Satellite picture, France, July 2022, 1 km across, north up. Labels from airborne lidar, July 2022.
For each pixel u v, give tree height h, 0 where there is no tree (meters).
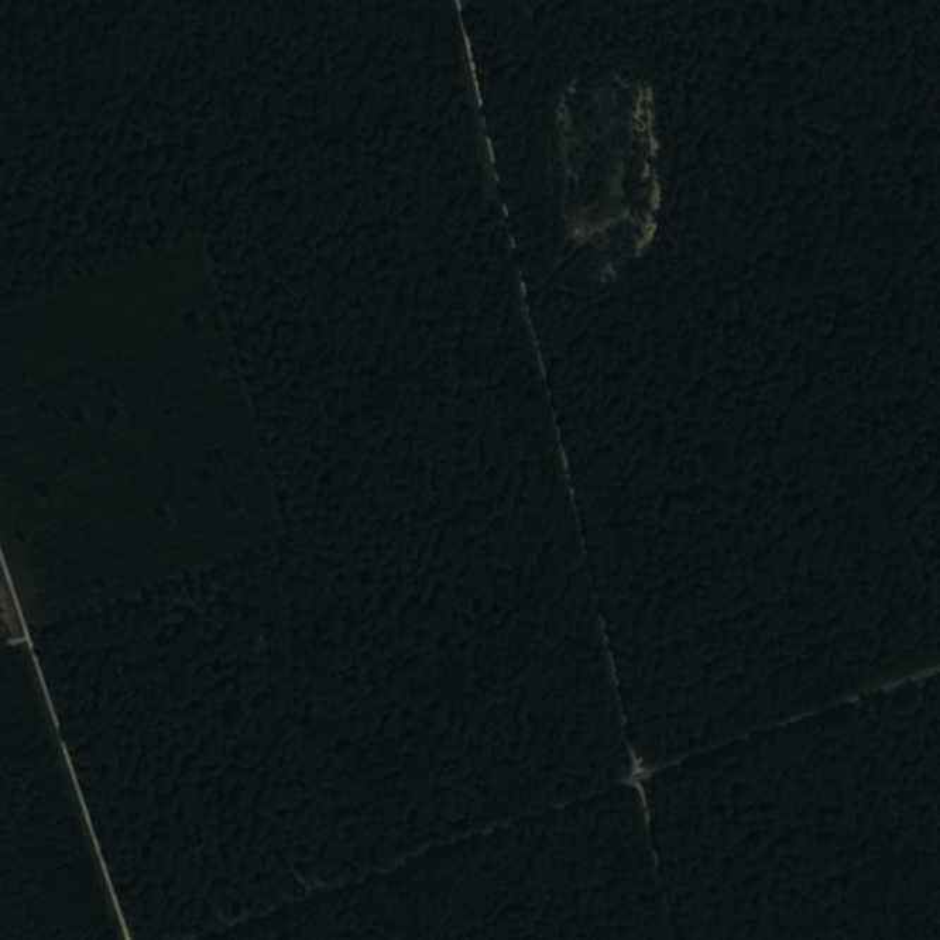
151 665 30
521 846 19
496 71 25
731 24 31
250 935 23
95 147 13
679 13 28
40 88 25
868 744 21
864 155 25
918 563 30
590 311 18
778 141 27
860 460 26
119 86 27
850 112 19
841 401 20
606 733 26
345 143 14
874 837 23
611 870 21
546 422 16
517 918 23
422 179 18
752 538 21
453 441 22
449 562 27
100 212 17
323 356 17
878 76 26
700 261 22
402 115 23
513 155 24
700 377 8
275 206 25
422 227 20
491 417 26
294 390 16
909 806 21
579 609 24
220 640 30
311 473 27
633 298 25
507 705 27
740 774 25
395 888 21
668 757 19
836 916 21
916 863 20
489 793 19
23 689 6
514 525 24
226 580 24
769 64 28
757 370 24
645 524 23
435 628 28
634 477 25
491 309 28
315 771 28
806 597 18
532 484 23
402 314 26
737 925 19
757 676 23
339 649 25
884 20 18
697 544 23
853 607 28
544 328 16
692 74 27
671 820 24
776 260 18
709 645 24
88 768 25
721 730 23
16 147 26
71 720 24
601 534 20
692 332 24
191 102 25
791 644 25
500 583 17
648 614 29
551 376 11
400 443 25
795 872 26
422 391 20
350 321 26
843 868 11
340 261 22
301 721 22
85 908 6
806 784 21
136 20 26
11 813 7
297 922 24
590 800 17
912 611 29
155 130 25
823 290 24
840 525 24
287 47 29
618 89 11
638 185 10
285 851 26
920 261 18
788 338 18
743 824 25
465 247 27
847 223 23
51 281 24
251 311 18
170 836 28
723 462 19
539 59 22
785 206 25
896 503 25
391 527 27
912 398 22
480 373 24
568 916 26
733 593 20
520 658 16
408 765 20
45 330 0
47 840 7
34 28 28
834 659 19
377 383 26
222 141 21
